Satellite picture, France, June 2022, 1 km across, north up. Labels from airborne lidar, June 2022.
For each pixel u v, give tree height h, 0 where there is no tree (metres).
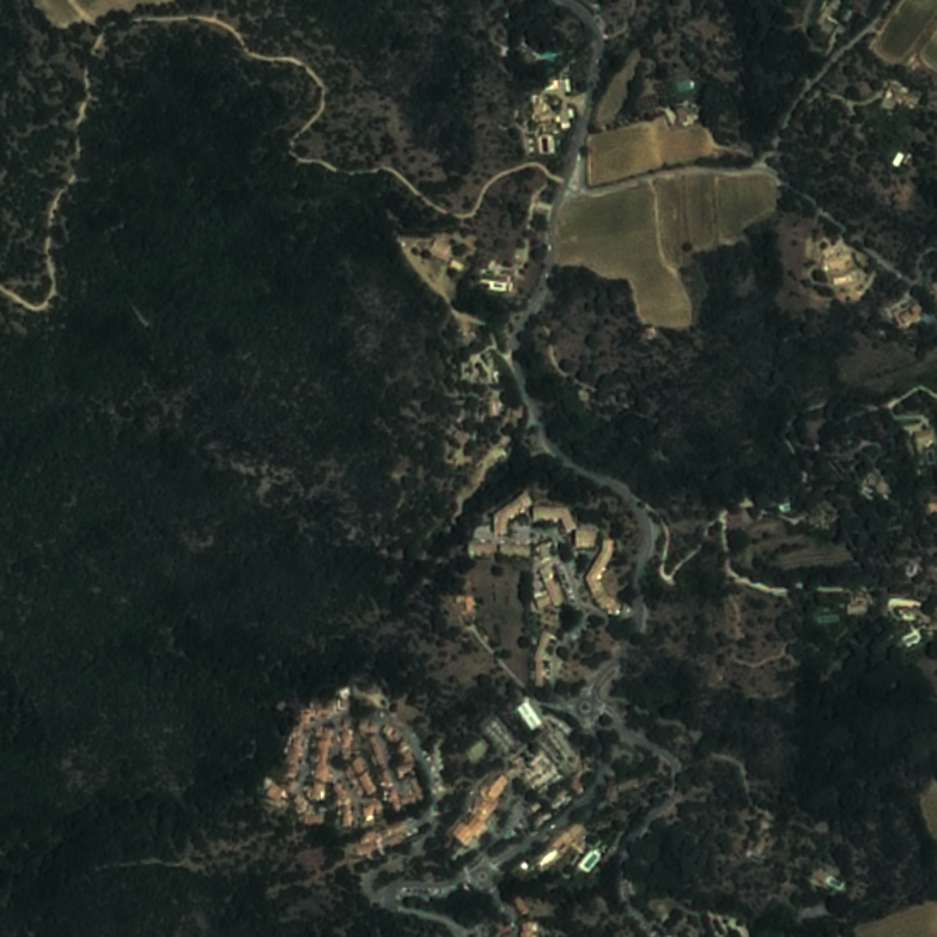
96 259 11
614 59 8
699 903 10
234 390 9
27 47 6
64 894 11
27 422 12
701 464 7
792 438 11
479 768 7
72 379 9
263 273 9
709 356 6
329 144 6
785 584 10
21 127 10
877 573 10
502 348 9
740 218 0
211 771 13
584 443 6
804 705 7
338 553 10
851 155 8
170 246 8
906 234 6
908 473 9
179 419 7
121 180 13
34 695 8
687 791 8
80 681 9
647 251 0
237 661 15
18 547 8
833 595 6
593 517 12
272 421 7
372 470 7
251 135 10
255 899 13
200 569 8
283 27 7
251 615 6
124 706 6
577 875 6
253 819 8
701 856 9
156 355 9
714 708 8
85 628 9
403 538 8
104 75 9
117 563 13
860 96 7
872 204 7
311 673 15
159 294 10
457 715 9
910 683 18
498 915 10
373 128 6
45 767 10
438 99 11
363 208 9
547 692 9
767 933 6
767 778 9
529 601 12
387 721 0
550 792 8
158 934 8
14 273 8
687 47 7
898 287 8
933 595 7
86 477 8
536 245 6
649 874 9
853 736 15
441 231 6
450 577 11
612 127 7
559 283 11
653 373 7
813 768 13
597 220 0
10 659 7
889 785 9
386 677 9
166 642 15
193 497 6
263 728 15
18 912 14
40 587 8
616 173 0
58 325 7
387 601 10
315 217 13
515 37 11
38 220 9
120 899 8
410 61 7
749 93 9
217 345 10
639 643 13
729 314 7
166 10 6
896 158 0
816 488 10
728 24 6
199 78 11
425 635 6
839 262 0
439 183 7
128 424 10
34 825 14
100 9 0
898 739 14
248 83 7
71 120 7
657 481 8
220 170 10
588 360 6
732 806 11
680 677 8
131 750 9
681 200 0
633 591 12
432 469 6
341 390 8
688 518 8
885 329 11
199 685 12
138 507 9
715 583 10
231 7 8
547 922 10
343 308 7
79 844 16
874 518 11
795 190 8
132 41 9
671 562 6
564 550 10
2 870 13
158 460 9
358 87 6
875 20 5
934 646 13
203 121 10
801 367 9
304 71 7
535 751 13
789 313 6
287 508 7
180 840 12
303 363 9
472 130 7
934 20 0
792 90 10
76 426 8
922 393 8
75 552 10
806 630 11
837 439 5
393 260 10
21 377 7
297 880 7
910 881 7
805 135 9
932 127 6
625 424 14
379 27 8
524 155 8
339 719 0
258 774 11
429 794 6
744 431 6
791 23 11
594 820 9
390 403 7
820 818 9
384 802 6
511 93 7
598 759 8
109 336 10
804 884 11
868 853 5
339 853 7
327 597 8
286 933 6
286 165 9
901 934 0
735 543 13
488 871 0
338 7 6
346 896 9
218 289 8
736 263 6
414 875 7
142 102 6
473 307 11
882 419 7
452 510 7
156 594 8
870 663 15
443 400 10
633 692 8
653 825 9
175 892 10
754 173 0
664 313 0
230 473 7
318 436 9
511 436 6
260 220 11
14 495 7
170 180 12
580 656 7
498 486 9
